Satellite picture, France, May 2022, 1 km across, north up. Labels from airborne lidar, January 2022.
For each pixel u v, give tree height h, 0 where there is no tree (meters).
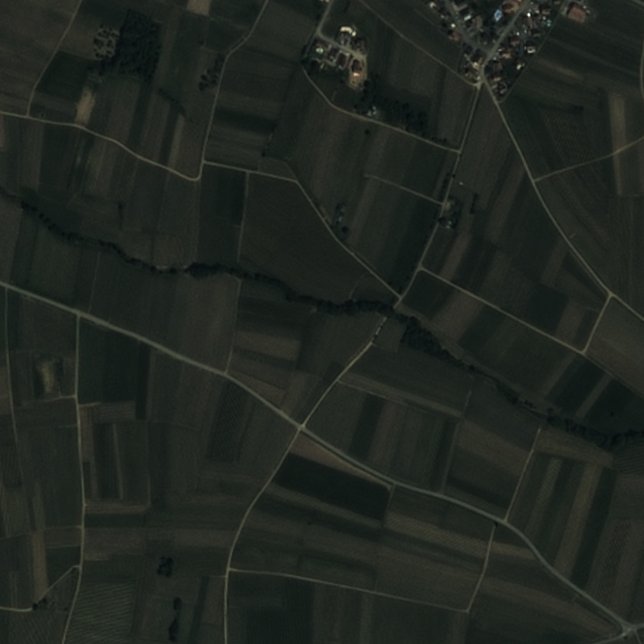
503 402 0
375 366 0
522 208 0
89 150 0
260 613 0
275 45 0
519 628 0
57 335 0
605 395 0
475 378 0
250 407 0
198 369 0
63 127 0
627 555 0
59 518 0
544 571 0
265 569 0
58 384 0
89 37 0
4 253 0
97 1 0
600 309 0
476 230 0
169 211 0
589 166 0
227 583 0
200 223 0
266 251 0
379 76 6
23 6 0
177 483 0
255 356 0
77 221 0
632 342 0
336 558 0
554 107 0
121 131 0
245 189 0
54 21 0
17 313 0
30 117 0
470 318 0
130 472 0
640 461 0
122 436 0
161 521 0
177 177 0
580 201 0
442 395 0
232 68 0
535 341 0
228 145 0
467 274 0
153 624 0
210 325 0
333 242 0
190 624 0
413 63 0
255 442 0
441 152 0
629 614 0
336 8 0
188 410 0
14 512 0
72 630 0
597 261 0
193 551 0
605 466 0
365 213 0
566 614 0
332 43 0
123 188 0
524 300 0
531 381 0
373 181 0
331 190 0
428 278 0
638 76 0
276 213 0
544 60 0
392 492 0
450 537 0
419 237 0
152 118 0
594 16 0
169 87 0
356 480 0
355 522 0
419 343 9
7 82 0
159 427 0
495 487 0
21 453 0
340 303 0
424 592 0
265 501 0
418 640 0
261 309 0
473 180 0
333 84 0
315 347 0
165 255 0
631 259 0
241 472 0
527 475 0
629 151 0
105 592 0
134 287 0
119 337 0
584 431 17
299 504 0
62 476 0
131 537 0
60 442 0
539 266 0
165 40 0
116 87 0
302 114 0
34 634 0
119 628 0
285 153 0
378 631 0
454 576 0
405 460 0
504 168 0
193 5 0
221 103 0
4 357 0
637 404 0
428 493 0
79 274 0
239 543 0
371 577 0
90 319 0
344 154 0
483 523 0
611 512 0
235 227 0
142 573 0
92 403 0
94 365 0
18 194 0
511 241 0
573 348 0
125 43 16
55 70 0
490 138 0
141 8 0
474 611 0
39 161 0
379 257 0
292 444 0
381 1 0
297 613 0
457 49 0
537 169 0
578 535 0
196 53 0
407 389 0
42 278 0
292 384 0
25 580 0
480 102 0
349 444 0
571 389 0
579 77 0
